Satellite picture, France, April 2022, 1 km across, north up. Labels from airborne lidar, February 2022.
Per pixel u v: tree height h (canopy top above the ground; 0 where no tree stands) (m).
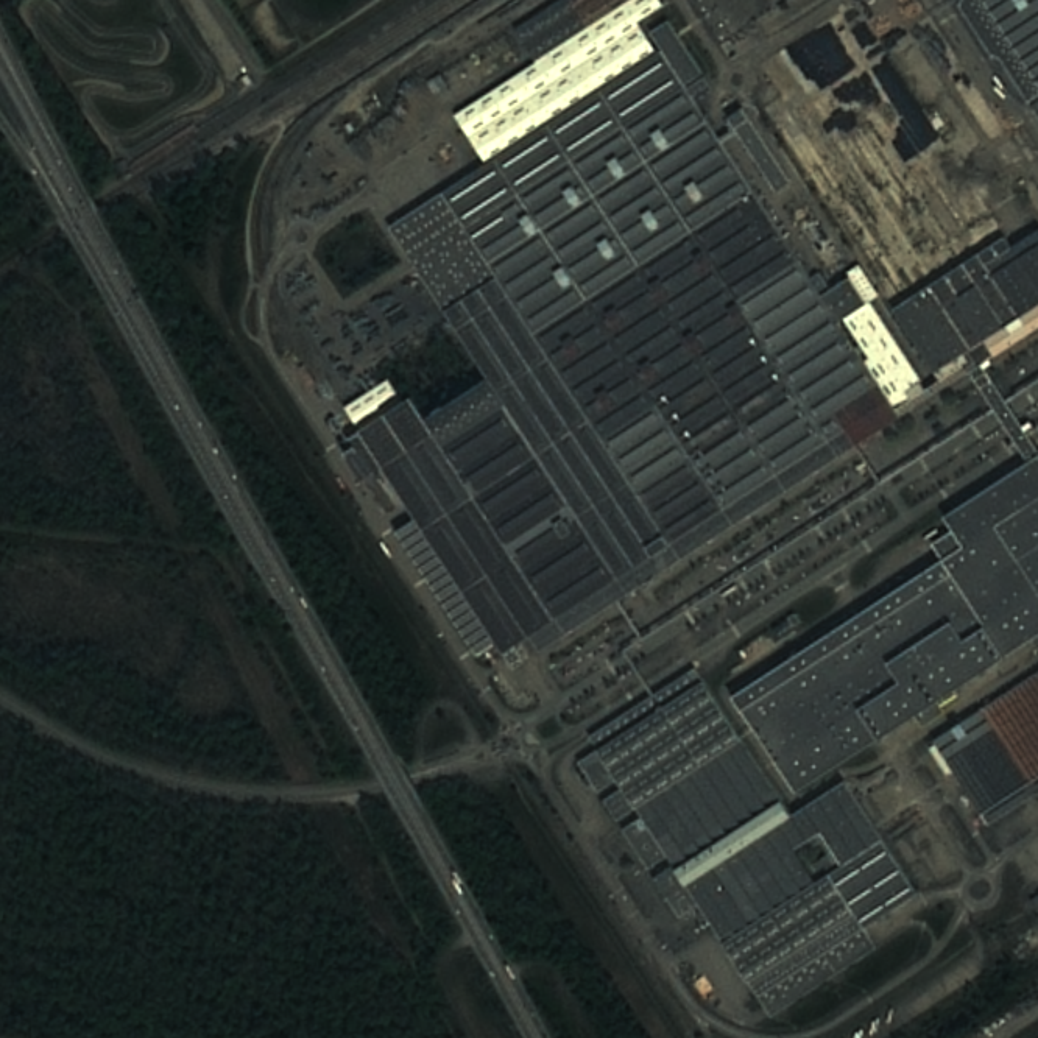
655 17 0
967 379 0
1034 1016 0
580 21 0
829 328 0
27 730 14
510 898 18
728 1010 0
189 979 18
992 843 0
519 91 0
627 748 0
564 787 0
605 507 0
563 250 0
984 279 0
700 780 0
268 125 0
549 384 0
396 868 15
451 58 0
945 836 0
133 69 0
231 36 0
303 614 0
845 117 0
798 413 0
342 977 15
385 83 0
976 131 0
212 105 0
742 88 0
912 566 0
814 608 0
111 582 0
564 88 0
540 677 0
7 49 0
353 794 0
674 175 0
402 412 0
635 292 0
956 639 0
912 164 0
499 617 0
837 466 0
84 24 0
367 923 12
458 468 0
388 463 0
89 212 0
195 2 0
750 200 0
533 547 0
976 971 0
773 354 0
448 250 0
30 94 0
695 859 0
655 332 0
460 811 15
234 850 12
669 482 0
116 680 11
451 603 0
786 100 0
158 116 0
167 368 0
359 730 0
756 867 0
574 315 0
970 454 0
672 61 0
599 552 0
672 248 0
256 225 0
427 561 0
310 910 16
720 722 0
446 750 0
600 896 0
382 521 0
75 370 12
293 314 0
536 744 0
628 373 0
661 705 0
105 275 0
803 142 0
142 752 11
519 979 0
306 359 0
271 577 0
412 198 0
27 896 17
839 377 0
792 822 0
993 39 0
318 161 0
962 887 0
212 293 0
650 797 0
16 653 11
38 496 9
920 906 0
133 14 0
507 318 0
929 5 0
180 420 0
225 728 11
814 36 0
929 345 0
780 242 0
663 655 0
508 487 0
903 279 0
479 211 0
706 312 0
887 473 0
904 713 0
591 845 0
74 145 11
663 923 0
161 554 14
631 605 0
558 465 0
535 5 0
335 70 0
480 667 0
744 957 0
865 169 0
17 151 0
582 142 0
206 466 0
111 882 16
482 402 0
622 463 0
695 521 0
